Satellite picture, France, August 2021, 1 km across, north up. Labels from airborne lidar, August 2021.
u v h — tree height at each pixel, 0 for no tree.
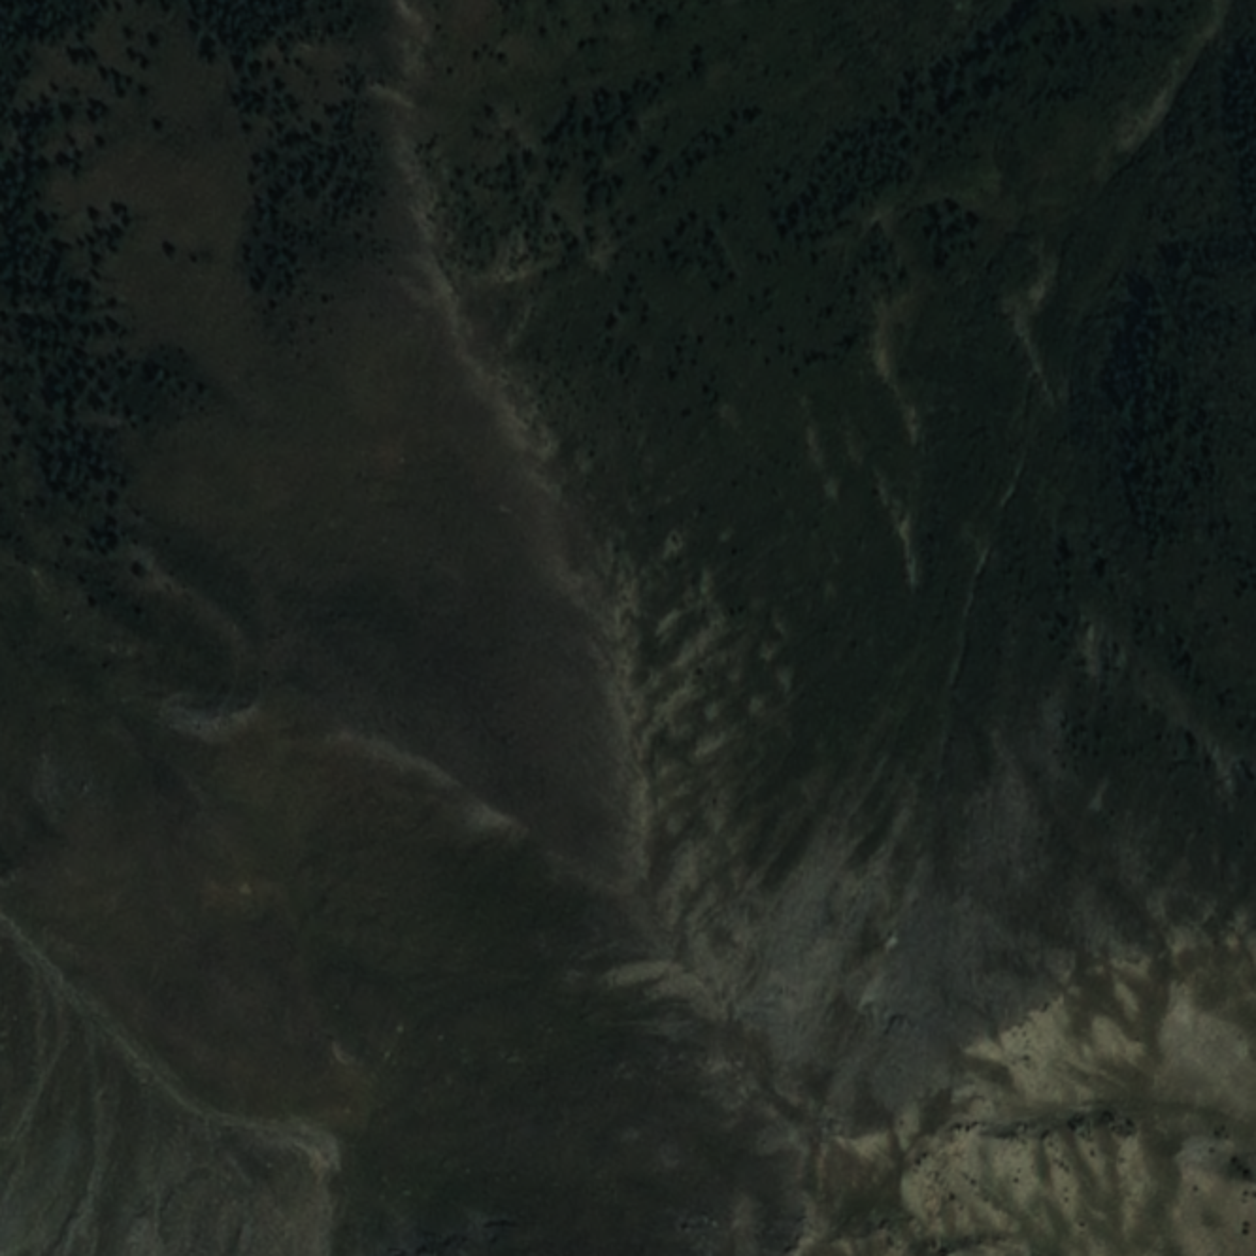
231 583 0
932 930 0
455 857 0
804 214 11
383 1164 0
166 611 0
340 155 8
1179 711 0
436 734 0
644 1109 0
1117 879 0
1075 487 0
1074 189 0
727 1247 0
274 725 0
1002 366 0
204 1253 0
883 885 0
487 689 0
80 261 0
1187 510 6
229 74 0
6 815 0
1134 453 9
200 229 0
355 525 0
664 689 0
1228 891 0
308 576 0
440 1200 0
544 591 0
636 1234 0
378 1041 0
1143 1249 0
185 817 0
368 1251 0
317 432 0
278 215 10
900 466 0
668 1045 0
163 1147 0
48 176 15
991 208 0
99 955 0
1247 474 0
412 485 0
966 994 0
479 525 0
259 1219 0
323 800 0
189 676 0
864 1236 0
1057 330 0
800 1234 0
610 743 0
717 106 0
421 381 0
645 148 0
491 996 0
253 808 0
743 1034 0
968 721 0
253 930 0
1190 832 0
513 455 0
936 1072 0
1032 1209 0
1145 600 0
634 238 0
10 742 0
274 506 0
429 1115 0
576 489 0
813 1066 0
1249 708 0
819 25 0
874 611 0
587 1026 0
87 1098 0
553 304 0
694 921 0
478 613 0
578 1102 0
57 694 0
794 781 0
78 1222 0
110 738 0
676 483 0
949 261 14
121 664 0
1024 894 0
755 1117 0
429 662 0
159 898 0
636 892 0
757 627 0
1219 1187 0
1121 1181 0
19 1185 0
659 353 0
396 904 0
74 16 10
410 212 0
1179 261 7
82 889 0
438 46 0
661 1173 0
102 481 11
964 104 17
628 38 0
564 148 11
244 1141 0
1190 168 0
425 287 0
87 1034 0
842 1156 0
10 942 0
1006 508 0
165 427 0
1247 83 7
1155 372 8
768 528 0
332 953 0
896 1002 0
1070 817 0
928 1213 0
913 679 0
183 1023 0
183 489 0
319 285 0
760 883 0
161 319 0
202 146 0
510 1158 0
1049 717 0
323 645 0
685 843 0
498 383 0
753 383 0
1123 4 0
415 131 0
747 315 0
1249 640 0
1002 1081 0
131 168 0
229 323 0
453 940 0
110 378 0
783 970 0
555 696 0
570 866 0
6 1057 0
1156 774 0
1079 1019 0
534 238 9
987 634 0
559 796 0
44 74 0
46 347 12
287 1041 0
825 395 0
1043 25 16
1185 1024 0
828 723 0
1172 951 0
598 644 0
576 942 0
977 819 0
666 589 0
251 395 0
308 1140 0
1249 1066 0
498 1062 0
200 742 0
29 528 0
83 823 0
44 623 0
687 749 0
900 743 0
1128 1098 0
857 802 0
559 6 7
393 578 0
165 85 0
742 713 0
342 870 0
